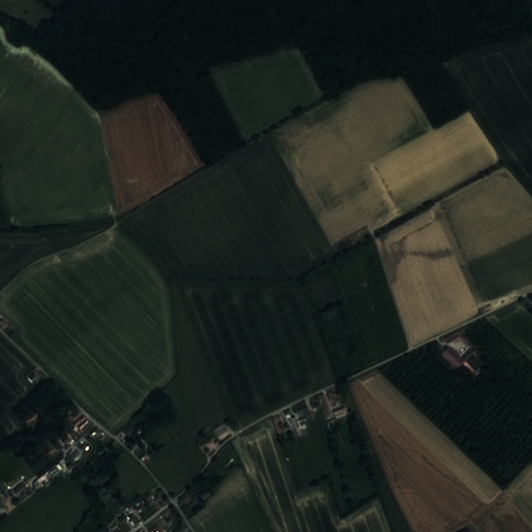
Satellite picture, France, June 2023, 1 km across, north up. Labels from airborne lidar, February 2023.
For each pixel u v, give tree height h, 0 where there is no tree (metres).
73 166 0
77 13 25
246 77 0
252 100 0
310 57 18
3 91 0
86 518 11
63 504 0
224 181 0
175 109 16
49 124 0
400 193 0
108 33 24
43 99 0
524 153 0
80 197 0
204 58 19
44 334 0
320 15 22
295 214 0
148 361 0
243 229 0
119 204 0
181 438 0
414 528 0
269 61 0
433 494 0
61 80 0
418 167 0
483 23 24
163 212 0
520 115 0
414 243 0
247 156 0
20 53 0
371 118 0
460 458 0
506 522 0
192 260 0
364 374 0
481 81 0
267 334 0
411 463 0
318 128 0
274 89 0
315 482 11
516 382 10
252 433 0
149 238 0
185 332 0
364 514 0
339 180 0
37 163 0
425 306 0
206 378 0
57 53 18
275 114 0
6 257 0
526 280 0
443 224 0
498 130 0
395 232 0
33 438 18
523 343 0
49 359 0
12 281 0
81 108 0
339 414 0
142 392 0
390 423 0
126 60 21
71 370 0
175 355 0
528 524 0
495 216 0
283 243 0
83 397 0
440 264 0
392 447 0
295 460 0
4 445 17
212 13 25
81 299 0
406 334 0
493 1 16
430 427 0
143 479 0
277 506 0
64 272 0
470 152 0
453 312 0
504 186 0
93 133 0
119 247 0
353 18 24
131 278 0
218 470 0
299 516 0
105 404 0
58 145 0
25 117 0
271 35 24
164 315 0
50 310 0
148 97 0
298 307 0
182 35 21
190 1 25
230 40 22
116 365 0
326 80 18
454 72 0
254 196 0
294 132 0
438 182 0
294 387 0
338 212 0
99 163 0
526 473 0
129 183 0
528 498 0
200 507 18
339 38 24
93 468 11
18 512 0
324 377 0
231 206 0
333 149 0
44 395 22
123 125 0
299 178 0
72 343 0
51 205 0
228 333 0
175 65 26
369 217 0
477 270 0
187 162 0
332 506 0
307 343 0
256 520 0
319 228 0
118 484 15
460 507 0
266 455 0
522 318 0
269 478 0
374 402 0
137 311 0
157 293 0
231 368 0
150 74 25
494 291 0
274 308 0
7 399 0
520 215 0
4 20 6
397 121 0
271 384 0
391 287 0
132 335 0
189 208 0
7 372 0
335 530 0
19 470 0
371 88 0
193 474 0
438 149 0
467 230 0
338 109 0
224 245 0
